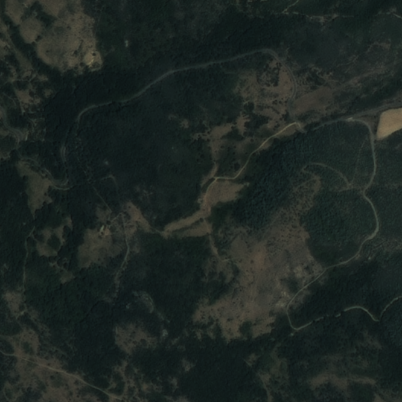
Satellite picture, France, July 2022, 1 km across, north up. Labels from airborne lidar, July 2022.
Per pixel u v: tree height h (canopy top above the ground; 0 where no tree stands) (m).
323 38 7
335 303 11
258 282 0
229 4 11
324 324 7
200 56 9
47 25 8
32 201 0
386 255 7
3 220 7
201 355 12
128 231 0
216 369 7
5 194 17
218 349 9
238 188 0
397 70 0
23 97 0
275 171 6
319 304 10
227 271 0
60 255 17
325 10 8
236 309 0
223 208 7
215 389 10
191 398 9
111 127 8
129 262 6
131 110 16
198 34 10
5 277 8
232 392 10
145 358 6
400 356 8
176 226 0
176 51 6
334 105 0
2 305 14
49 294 12
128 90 15
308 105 0
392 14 6
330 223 10
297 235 0
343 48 0
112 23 7
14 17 0
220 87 7
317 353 8
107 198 14
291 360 9
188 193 6
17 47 10
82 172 7
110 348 8
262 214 7
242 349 11
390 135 0
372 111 0
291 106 0
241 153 0
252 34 14
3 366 7
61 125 22
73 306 6
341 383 0
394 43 0
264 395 6
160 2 9
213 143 0
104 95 13
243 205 8
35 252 8
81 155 15
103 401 5
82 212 9
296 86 0
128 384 0
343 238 10
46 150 13
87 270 6
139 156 11
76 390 0
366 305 12
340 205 6
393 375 9
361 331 7
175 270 9
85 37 0
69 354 8
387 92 7
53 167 9
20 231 7
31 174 0
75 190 10
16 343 0
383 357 7
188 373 5
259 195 11
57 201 15
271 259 0
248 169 0
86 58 0
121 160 8
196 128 6
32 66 6
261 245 0
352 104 7
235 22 14
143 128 8
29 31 0
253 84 0
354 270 7
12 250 9
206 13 8
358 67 0
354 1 8
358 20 6
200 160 9
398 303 9
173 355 7
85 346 8
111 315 6
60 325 6
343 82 0
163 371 8
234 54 9
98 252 0
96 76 20
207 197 0
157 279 6
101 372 6
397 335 7
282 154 12
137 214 0
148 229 0
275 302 0
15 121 11
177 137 7
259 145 0
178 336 7
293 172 8
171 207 7
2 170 13
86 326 14
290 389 8
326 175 6
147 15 10
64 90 15
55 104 25
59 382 0
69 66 0
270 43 7
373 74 0
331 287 6
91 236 0
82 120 7
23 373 0
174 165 8
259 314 0
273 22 12
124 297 11
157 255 7
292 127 0
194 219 0
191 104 7
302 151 8
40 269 6
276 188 7
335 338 8
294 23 7
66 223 0
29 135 9
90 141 13
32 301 13
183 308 7
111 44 7
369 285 12
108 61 6
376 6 7
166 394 6
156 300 8
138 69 13
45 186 0
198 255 7
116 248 0
